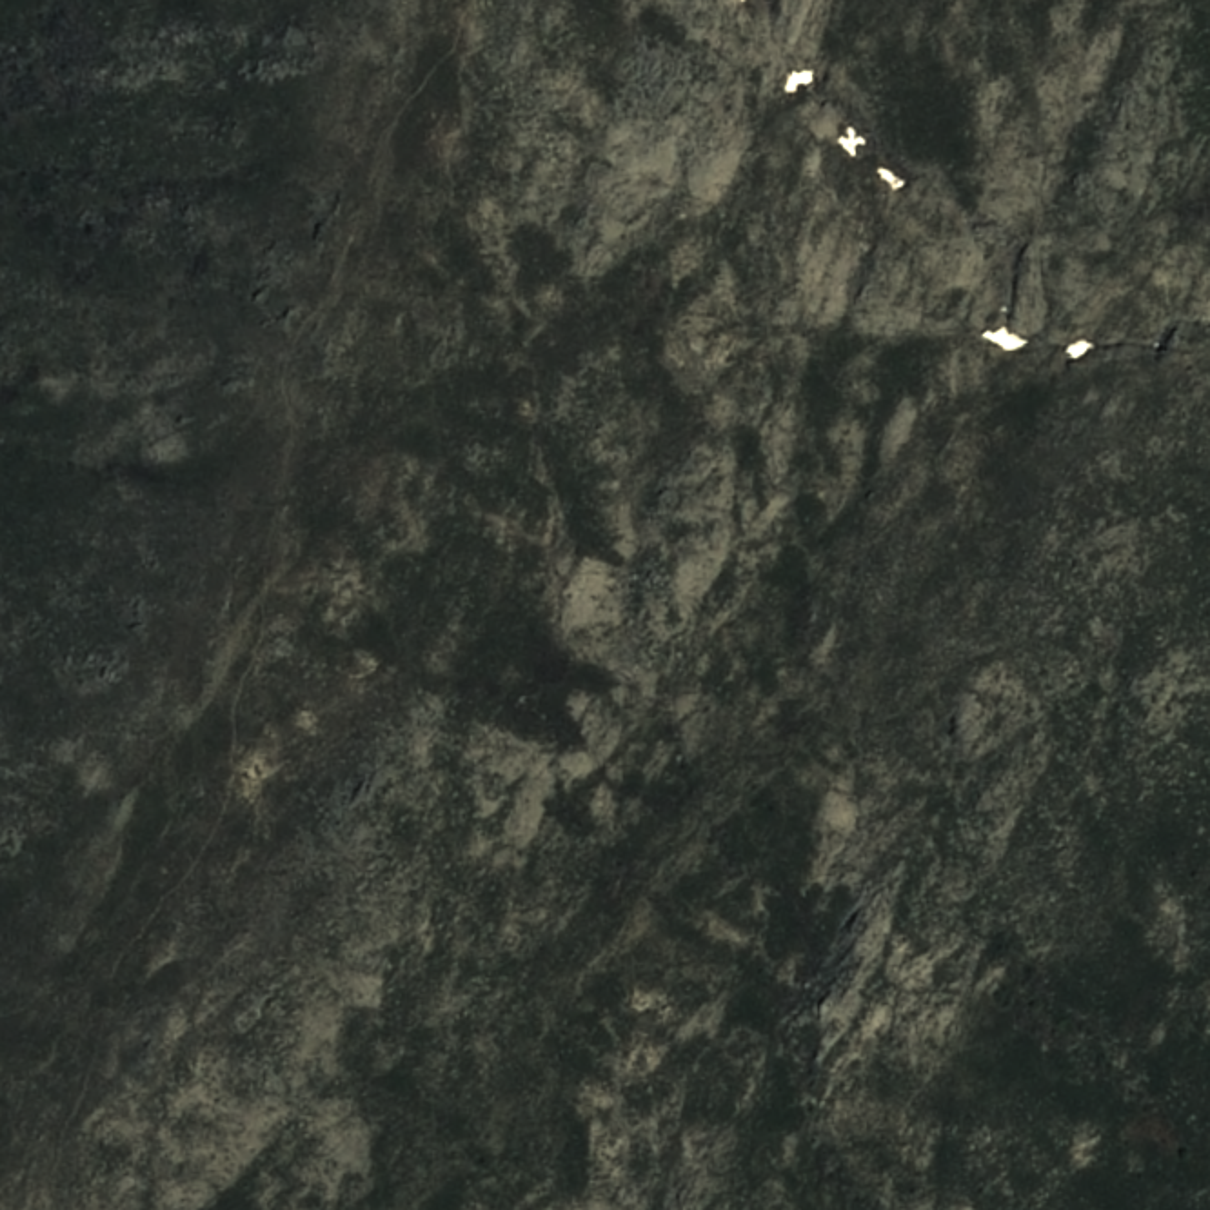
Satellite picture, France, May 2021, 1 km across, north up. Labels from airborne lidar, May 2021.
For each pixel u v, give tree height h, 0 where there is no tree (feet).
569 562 0
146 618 0
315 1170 0
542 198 0
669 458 0
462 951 0
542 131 0
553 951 0
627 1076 0
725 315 0
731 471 0
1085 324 0
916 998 0
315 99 0
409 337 0
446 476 0
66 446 0
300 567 0
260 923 0
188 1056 0
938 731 0
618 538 0
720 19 0
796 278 0
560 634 0
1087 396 0
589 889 0
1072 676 0
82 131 0
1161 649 0
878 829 0
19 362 0
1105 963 0
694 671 0
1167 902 0
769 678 0
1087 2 0
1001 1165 0
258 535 0
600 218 0
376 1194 0
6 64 29
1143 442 0
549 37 0
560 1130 0
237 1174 0
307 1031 0
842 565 0
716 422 0
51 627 0
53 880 0
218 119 0
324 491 0
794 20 0
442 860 0
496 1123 0
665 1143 0
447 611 0
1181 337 0
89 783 0
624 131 0
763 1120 0
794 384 0
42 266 0
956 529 0
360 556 0
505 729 0
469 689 0
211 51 0
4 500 0
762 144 0
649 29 0
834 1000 0
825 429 0
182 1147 0
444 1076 0
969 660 0
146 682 0
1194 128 0
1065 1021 33
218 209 0
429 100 0
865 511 0
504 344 0
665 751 0
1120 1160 0
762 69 0
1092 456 0
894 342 0
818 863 0
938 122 0
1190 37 0
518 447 0
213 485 0
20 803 0
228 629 0
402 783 0
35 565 0
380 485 0
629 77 0
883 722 0
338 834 0
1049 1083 0
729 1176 0
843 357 0
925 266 0
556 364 0
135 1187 0
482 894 0
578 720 0
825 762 0
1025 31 0
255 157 0
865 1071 0
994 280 0
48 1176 0
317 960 0
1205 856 0
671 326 0
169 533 0
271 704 0
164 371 0
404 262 0
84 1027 0
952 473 0
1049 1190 0
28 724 0
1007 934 25
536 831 0
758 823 0
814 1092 0
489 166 0
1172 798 0
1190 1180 0
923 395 0
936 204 0
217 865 0
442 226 0
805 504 0
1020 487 0
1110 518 0
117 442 0
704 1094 0
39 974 0
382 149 0
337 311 0
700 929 0
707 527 0
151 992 0
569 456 0
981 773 0
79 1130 0
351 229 0
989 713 0
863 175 0
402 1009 0
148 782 0
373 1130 0
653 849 0
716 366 0
